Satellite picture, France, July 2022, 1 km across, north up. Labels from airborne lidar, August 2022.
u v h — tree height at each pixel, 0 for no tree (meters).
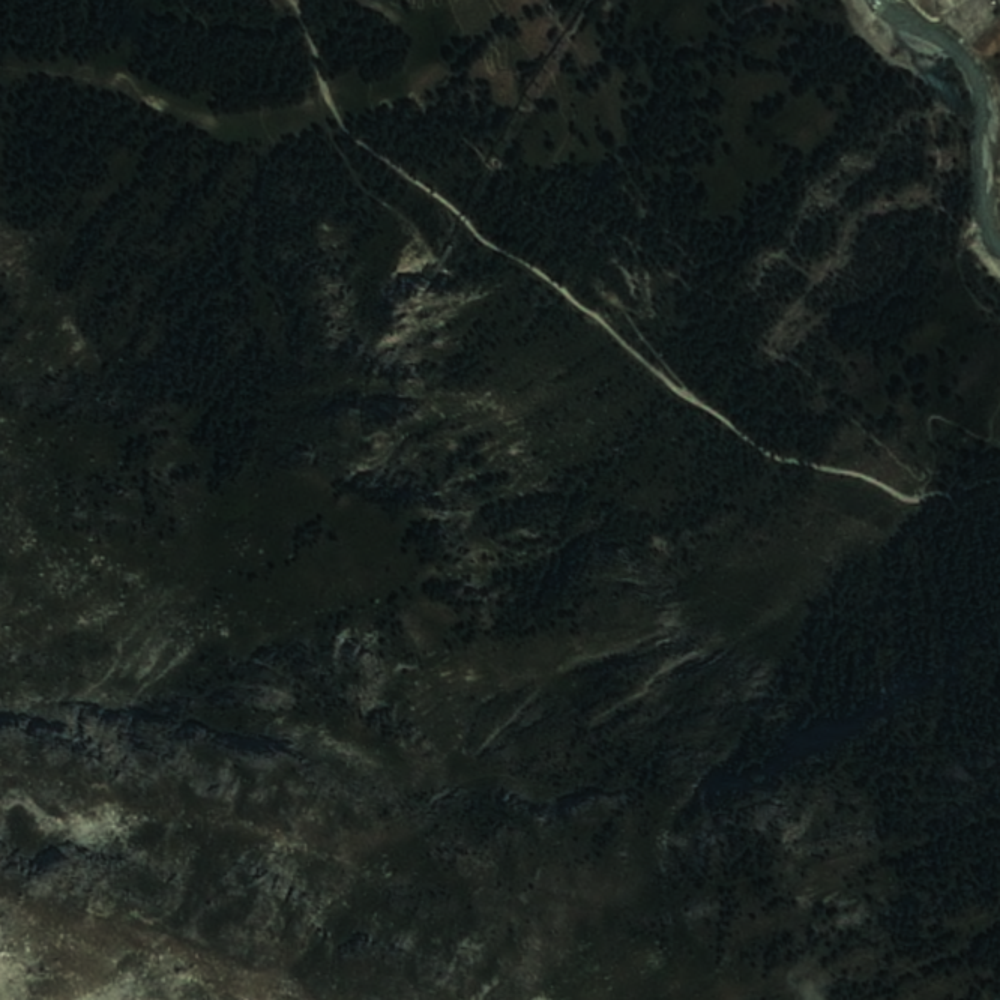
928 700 13
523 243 19
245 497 0
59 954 0
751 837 8
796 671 6
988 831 19
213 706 7
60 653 0
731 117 0
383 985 0
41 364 0
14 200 10
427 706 0
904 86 16
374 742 0
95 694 0
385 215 9
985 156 0
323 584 0
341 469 0
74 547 0
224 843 0
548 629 8
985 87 0
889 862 11
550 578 10
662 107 22
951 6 0
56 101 19
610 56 22
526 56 0
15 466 0
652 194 12
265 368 12
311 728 0
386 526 0
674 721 6
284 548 0
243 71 16
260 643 0
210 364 20
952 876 16
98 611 0
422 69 0
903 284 20
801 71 0
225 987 0
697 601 0
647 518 15
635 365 7
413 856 0
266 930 0
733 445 15
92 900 0
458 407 0
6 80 0
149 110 21
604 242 16
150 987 0
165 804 0
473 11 0
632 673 8
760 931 0
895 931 8
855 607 11
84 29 14
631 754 13
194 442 10
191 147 11
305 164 18
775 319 14
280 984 0
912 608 21
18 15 11
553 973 0
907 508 0
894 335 22
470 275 17
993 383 0
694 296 12
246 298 18
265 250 12
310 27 18
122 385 6
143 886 0
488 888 0
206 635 0
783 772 11
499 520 12
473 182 6
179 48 19
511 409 0
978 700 10
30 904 0
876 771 13
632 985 0
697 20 0
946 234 22
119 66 0
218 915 0
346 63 20
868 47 14
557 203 21
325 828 0
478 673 0
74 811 0
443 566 7
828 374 14
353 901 0
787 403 19
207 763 0
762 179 0
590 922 0
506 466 0
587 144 17
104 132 17
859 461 0
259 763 0
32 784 0
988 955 16
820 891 0
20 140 11
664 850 0
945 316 0
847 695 10
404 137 24
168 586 0
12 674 0
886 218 8
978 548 15
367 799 0
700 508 16
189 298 18
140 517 0
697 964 0
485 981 0
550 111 20
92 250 13
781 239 14
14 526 0
